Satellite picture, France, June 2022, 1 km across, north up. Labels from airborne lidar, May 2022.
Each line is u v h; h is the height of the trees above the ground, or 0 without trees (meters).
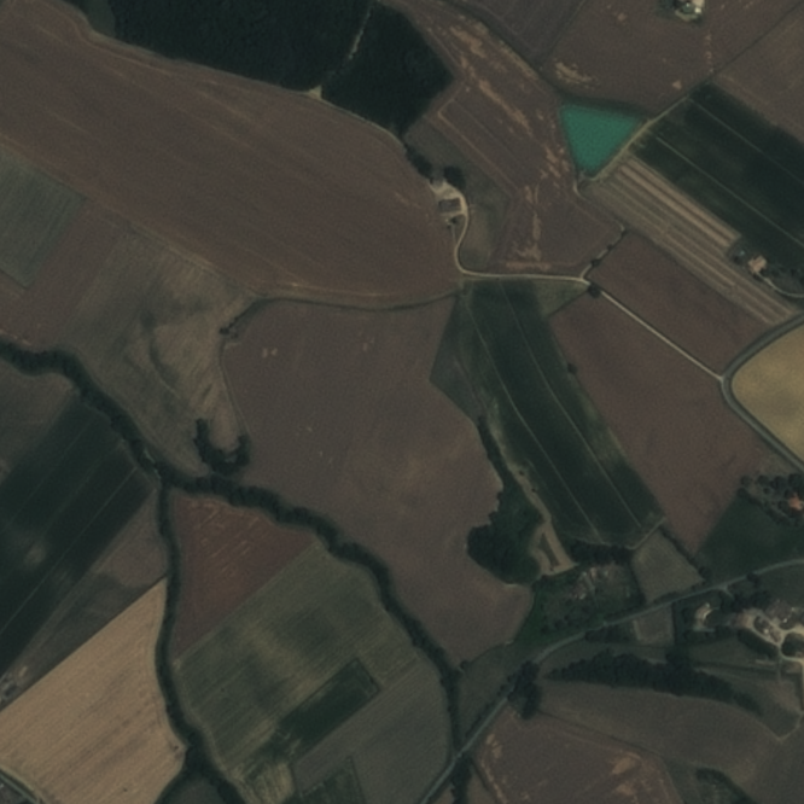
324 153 0
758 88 0
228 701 0
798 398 0
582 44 0
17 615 0
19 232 0
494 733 0
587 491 0
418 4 0
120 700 0
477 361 0
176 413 0
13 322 0
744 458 0
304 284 0
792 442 0
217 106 0
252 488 0
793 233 0
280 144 0
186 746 0
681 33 0
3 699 0
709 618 0
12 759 0
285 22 17
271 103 0
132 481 0
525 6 0
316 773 0
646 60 0
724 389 0
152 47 12
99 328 0
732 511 0
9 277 0
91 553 0
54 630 0
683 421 0
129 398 0
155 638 0
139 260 0
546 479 0
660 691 10
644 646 0
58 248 0
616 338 0
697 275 0
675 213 0
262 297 0
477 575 0
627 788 0
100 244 0
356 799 0
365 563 7
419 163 16
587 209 0
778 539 0
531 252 0
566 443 0
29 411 0
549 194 0
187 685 0
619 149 0
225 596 0
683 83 0
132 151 0
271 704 0
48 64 0
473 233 0
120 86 0
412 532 0
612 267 0
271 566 0
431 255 0
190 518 0
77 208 0
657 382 0
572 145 0
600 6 0
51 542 0
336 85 13
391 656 0
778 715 0
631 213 0
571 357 0
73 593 0
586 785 0
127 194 0
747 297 0
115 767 0
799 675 0
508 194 0
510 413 0
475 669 0
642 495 0
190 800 0
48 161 0
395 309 0
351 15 10
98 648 0
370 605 0
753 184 0
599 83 0
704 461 0
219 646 0
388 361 0
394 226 0
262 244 0
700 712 0
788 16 0
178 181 0
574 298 0
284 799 0
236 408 0
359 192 0
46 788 0
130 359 0
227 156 0
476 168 0
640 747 0
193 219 0
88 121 0
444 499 0
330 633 0
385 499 0
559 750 0
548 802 0
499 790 0
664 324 0
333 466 0
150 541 0
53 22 0
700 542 0
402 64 9
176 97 0
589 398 0
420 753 0
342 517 0
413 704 0
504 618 0
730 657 0
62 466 0
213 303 0
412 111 9
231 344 0
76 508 0
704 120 0
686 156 0
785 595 0
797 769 0
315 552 0
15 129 0
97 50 0
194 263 0
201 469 0
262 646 0
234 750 0
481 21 0
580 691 0
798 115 0
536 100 0
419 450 0
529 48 0
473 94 0
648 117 0
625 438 0
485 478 0
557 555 0
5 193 0
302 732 0
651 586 0
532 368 0
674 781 0
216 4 8
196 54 8
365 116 10
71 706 0
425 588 0
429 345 0
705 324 0
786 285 0
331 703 0
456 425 0
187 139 0
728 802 0
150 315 0
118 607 0
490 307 0
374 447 0
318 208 0
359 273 0
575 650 0
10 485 0
